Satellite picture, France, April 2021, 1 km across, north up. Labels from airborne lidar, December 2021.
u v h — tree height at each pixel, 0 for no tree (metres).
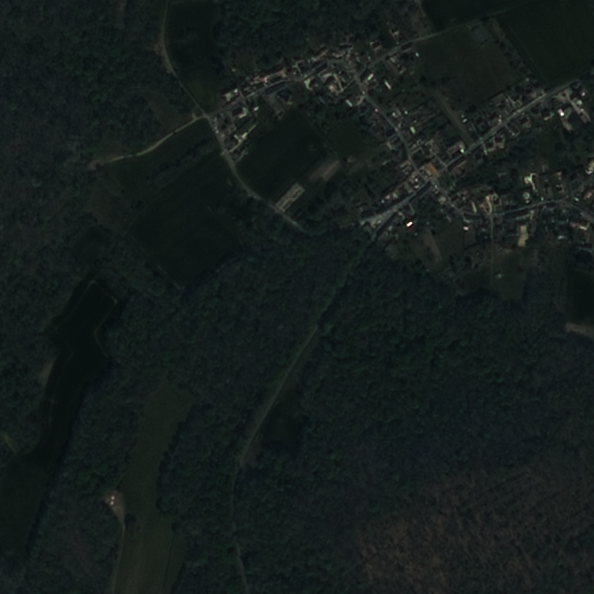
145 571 0
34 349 30
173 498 29
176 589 13
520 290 0
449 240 0
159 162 0
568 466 29
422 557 24
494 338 30
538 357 23
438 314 26
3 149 7
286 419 0
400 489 21
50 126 18
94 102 25
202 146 10
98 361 0
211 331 26
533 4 0
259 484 29
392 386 18
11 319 29
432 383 25
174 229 0
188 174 0
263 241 18
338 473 18
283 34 34
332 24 9
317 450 25
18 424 28
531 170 0
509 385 30
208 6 0
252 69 0
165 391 0
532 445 21
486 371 20
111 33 14
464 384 32
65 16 33
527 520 14
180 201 0
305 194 0
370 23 6
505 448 25
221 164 0
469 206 7
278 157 0
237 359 28
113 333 24
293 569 16
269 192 0
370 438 27
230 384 29
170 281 0
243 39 27
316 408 24
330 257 28
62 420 0
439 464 25
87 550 32
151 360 24
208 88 0
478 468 28
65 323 0
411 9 16
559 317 25
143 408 18
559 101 0
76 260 9
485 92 0
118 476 23
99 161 0
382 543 26
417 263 7
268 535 22
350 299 34
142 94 7
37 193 24
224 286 26
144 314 26
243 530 23
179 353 24
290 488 17
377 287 33
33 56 35
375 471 21
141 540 0
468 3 0
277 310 28
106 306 0
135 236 0
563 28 0
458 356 33
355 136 0
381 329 18
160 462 0
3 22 25
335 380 28
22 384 30
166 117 0
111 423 22
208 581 24
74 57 24
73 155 22
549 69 0
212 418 25
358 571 18
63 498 28
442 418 25
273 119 7
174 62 0
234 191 9
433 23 0
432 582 22
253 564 24
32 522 0
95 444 28
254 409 24
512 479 17
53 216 18
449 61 0
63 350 0
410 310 21
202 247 0
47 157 28
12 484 0
